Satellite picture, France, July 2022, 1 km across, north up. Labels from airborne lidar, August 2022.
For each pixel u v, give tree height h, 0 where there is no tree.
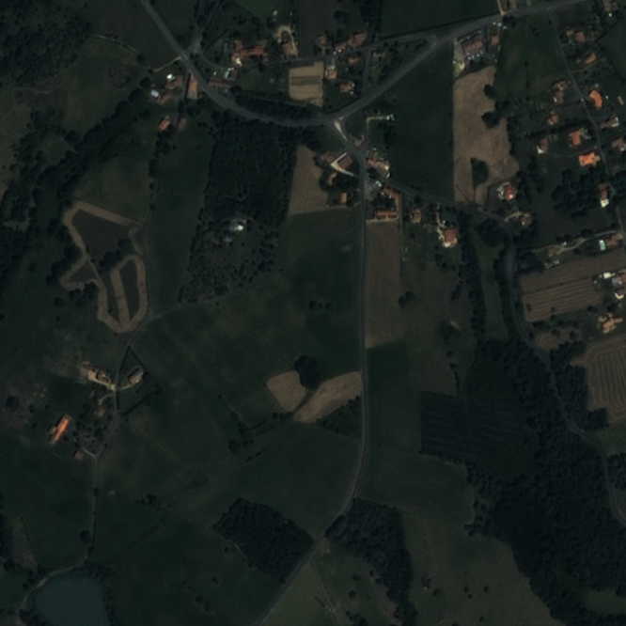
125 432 0
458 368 9
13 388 0
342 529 10
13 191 12
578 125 10
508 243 12
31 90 0
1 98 0
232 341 0
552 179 0
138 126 0
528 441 23
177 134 12
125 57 0
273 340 0
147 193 0
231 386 0
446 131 0
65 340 0
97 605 0
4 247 10
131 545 0
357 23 0
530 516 14
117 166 0
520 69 0
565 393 18
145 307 0
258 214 14
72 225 0
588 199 13
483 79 0
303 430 0
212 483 0
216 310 0
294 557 13
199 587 0
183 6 0
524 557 15
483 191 0
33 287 0
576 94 0
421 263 0
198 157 0
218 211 15
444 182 0
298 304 0
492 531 14
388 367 0
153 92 0
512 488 11
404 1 0
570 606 18
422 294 0
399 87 0
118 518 0
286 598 0
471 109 0
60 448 0
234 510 11
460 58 0
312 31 0
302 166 0
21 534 0
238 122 15
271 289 0
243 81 0
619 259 0
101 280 0
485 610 0
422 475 0
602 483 18
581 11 0
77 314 0
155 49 0
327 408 0
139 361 6
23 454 0
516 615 0
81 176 17
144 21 0
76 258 24
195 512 0
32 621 18
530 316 0
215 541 0
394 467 0
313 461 0
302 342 0
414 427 0
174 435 0
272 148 13
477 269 18
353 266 0
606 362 0
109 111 0
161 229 0
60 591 0
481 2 0
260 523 17
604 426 14
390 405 0
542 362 15
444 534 0
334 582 0
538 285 0
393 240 0
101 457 0
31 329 0
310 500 0
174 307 0
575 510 16
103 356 0
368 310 0
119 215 0
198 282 8
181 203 0
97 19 0
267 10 0
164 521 0
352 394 0
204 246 9
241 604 0
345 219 0
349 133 0
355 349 0
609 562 12
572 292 0
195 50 0
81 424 12
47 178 21
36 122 6
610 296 0
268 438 0
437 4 0
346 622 0
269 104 17
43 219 0
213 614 0
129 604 0
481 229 13
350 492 0
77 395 0
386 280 0
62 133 12
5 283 17
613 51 0
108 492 0
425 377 0
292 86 0
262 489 0
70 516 0
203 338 0
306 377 15
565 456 23
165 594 0
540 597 12
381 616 0
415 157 0
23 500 0
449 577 0
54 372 0
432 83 0
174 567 0
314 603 0
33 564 0
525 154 0
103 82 0
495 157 0
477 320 14
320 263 0
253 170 12
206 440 0
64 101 0
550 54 0
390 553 8
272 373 0
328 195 0
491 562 0
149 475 0
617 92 0
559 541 36
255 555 14
